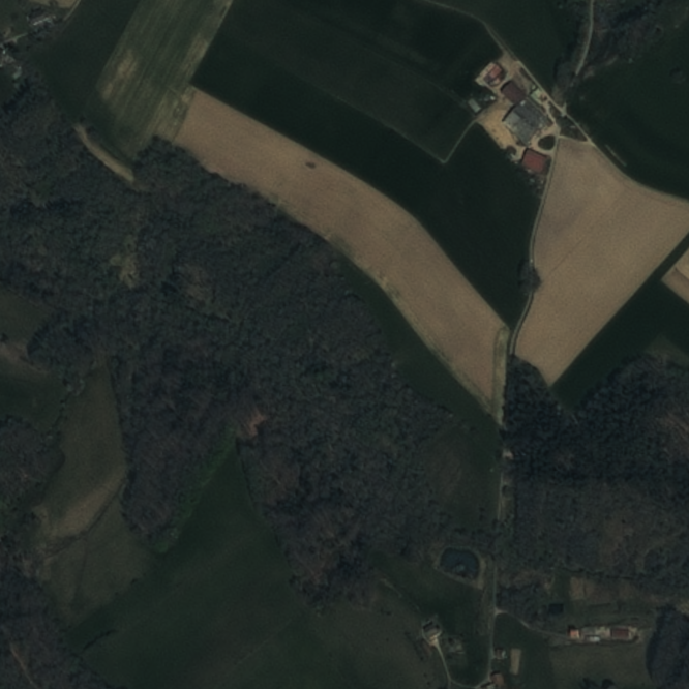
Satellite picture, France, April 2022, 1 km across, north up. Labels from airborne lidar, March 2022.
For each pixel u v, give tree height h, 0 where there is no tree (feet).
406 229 0
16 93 0
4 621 71
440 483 0
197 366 32
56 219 67
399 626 0
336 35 0
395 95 0
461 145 0
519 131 0
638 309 0
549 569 56
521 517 65
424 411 70
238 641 0
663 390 33
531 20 0
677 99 0
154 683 0
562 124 41
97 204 62
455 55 0
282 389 58
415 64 0
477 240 0
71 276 34
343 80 0
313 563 103
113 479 0
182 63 0
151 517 97
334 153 0
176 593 0
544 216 0
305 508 25
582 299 0
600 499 60
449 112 0
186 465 85
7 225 56
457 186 0
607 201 0
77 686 96
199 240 52
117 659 0
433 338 0
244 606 0
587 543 22
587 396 0
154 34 0
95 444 0
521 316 0
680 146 0
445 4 0
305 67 0
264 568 0
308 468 72
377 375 69
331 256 88
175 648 0
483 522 35
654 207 0
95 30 0
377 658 0
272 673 0
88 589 0
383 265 0
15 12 0
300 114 0
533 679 0
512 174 0
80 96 0
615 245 0
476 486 0
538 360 0
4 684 75
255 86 0
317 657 0
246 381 77
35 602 106
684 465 78
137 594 0
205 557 0
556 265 0
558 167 0
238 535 0
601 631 0
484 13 0
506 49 0
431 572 0
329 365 71
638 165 0
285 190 0
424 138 0
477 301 0
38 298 95
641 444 93
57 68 0
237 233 32
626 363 0
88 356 102
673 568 56
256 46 0
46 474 104
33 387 0
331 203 0
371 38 0
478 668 0
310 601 49
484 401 0
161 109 0
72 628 0
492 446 0
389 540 88
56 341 85
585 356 0
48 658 113
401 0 0
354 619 0
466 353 0
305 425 18
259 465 92
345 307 76
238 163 0
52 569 0
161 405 87
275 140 0
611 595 0
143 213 0
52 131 38
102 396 0
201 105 0
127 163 0
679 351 0
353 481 62
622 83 0
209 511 0
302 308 65
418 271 0
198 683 0
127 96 0
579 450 82
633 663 0
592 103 0
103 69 0
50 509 0
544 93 0
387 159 0
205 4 0
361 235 0
